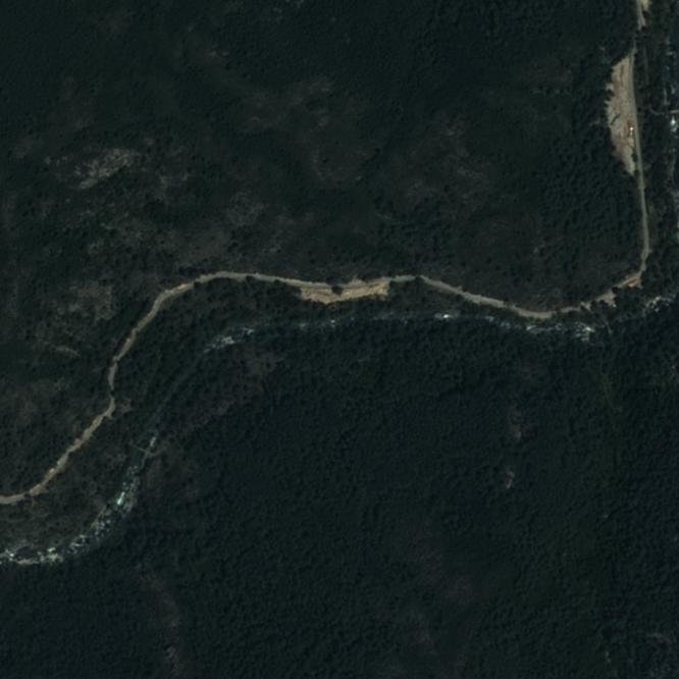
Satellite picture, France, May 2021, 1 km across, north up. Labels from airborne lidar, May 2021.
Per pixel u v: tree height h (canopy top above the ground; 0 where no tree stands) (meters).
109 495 12
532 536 17
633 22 20
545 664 19
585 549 13
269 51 11
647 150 15
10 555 0
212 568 6
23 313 6
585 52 5
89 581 21
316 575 24
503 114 11
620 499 12
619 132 0
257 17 9
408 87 11
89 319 10
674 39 0
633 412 17
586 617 16
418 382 28
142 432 21
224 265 7
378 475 22
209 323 22
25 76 11
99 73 7
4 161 6
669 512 26
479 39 13
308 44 11
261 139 12
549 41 11
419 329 9
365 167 11
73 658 19
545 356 16
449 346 15
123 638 18
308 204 8
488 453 29
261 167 9
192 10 8
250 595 20
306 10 13
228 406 12
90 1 6
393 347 22
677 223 10
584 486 26
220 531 24
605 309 21
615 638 34
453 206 17
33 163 12
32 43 11
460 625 6
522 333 12
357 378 6
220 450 22
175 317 18
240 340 8
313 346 15
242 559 22
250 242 19
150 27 8
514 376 22
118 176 11
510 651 23
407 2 10
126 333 7
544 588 8
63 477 19
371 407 19
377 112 10
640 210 10
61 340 6
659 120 23
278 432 23
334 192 11
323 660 10
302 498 27
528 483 9
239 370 17
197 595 17
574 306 22
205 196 10
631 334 6
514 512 14
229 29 13
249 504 27
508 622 8
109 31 9
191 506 15
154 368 22
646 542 22
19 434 11
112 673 20
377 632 22
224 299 20
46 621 15
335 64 10
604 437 22
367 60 9
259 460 24
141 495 8
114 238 20
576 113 14
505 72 6
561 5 18
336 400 27
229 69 17
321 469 21
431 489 6
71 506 7
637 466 15
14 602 11
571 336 16
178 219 15
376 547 18
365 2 13
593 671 7
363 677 19
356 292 0
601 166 27
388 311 16
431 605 15
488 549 12
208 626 19
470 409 27
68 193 6
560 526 18
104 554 12
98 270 6
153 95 6
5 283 6
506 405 27
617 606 21
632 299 19
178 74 9
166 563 7
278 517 21
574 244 19
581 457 23
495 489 20
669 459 24
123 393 26
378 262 18
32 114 15
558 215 22
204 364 16
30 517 13
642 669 6
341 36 9
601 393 11
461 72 11
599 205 24
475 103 10
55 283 9
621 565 22
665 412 20
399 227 15
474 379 21
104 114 7
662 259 14
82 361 16
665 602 8
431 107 7
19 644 10
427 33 6
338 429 21
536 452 23
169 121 9
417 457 24
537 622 24
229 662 21
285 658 22
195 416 14
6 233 6
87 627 22
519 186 9
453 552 8
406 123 6
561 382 23
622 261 16
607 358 21
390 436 28
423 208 16
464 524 13
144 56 6
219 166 11
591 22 11
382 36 13
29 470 17
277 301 8
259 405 22
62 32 9
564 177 21
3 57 12
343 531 22
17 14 11
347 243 5
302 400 19
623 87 0
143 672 12
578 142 11
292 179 6
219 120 14
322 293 0
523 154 7
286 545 24
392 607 13
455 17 24
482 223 10
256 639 23
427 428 26
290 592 24
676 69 18
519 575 6
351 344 25
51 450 14
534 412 19
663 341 22
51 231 11
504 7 25
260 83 10
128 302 6
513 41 13
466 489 22
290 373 23
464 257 10
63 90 7
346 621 28
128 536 10
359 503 23
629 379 20
